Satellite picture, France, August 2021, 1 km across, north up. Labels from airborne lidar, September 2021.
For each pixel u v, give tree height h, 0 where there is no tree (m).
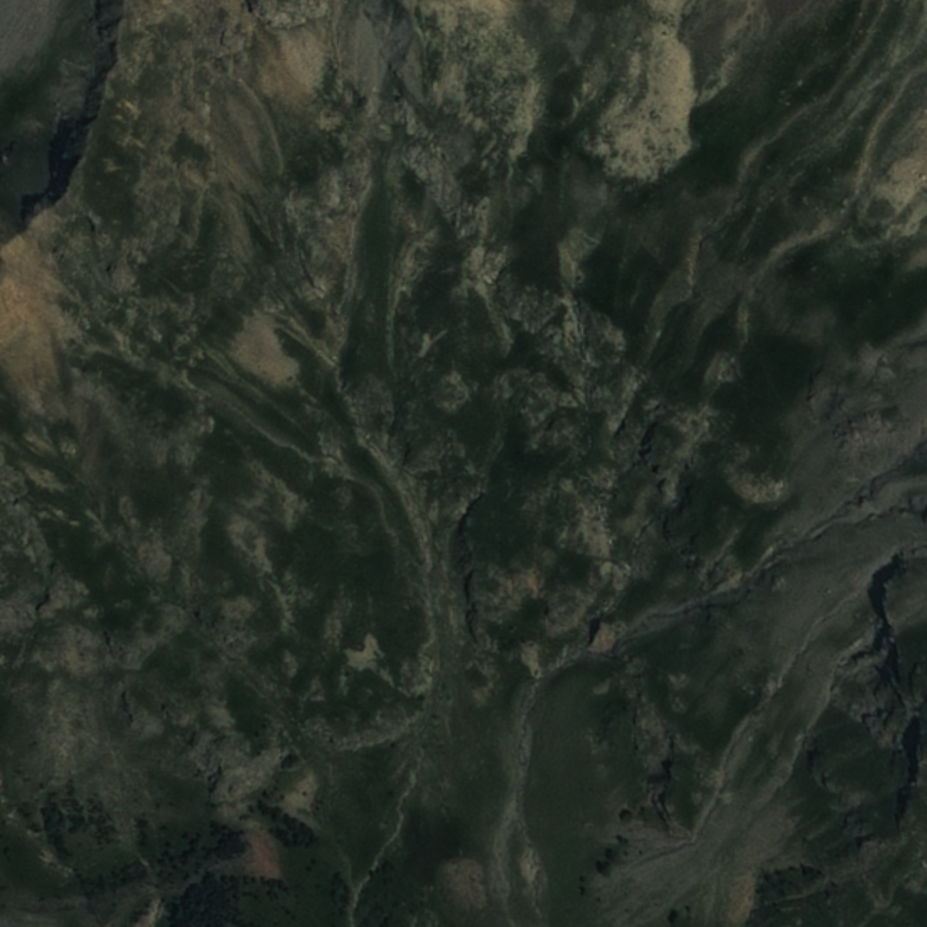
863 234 0
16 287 0
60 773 0
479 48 0
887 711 0
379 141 0
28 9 0
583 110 0
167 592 0
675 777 0
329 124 0
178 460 0
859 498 0
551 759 0
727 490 0
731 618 0
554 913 0
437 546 0
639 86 0
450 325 0
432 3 0
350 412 0
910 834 0
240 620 0
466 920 0
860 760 0
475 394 0
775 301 0
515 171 0
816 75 0
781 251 0
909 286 0
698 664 0
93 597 0
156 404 0
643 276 0
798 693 0
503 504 0
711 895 0
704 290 0
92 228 0
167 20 0
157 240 0
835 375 0
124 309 0
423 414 0
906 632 0
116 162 0
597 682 0
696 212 0
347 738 0
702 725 0
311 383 0
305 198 0
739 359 0
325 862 0
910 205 0
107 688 0
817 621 0
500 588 0
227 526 0
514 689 0
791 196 0
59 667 0
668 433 0
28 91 0
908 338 0
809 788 0
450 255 0
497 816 0
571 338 0
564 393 0
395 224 0
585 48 0
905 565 0
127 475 0
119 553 0
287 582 0
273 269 0
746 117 0
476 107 0
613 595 0
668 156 0
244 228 0
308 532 0
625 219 0
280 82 0
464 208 0
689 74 0
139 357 0
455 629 0
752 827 0
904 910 0
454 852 0
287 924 0
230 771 0
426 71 0
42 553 0
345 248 0
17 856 0
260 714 0
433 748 0
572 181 0
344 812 0
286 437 0
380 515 0
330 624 0
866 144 0
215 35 0
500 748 0
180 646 0
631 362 0
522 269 0
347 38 0
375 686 0
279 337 0
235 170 0
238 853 11
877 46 0
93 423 0
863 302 0
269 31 0
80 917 0
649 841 0
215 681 0
